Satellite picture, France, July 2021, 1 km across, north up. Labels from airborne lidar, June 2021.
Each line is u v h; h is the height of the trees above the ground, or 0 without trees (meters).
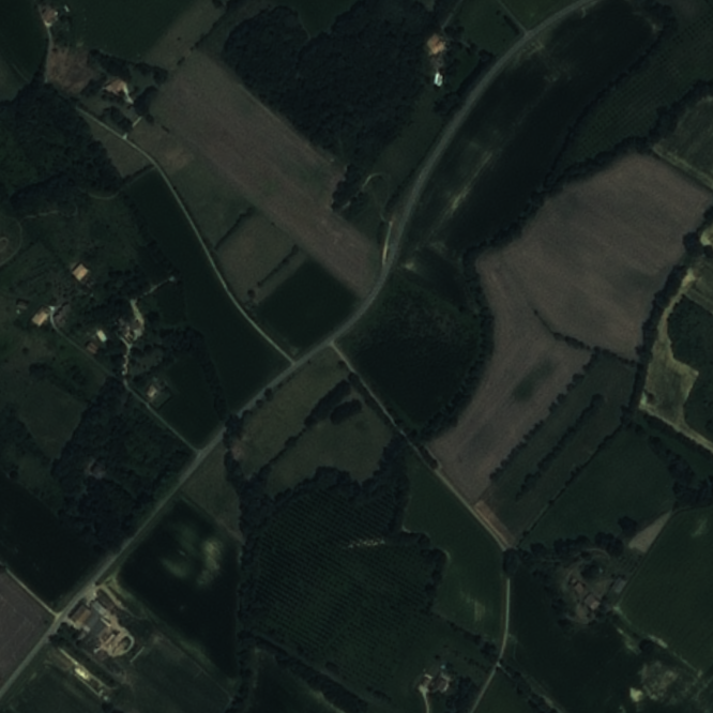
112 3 0
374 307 0
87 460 20
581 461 0
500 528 0
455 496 0
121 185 13
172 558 0
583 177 13
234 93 0
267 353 0
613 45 0
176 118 0
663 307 17
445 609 0
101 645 0
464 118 0
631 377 0
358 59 21
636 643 0
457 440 0
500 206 0
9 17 0
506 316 0
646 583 0
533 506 0
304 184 0
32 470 0
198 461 0
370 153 14
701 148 0
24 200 20
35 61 0
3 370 0
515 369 0
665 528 0
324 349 0
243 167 0
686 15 0
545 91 0
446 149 0
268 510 22
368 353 6
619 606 0
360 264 0
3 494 0
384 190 0
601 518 0
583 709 0
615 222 0
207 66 0
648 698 0
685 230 0
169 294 6
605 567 0
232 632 0
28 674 0
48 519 0
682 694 0
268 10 6
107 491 28
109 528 32
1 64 0
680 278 18
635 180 0
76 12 0
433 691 6
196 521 0
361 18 23
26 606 0
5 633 0
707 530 0
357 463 0
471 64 0
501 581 0
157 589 0
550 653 0
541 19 0
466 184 0
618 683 0
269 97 15
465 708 16
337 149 11
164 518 0
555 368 0
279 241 0
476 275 7
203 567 0
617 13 0
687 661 0
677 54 0
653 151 11
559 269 0
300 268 0
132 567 0
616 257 0
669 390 0
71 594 0
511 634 0
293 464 0
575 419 0
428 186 0
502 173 0
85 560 0
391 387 6
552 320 0
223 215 0
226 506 0
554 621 0
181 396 0
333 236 0
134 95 6
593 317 0
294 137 0
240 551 0
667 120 24
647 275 0
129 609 0
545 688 0
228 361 0
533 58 0
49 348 0
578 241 0
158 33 0
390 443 0
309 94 17
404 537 17
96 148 28
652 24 0
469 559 0
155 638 0
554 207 0
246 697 12
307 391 0
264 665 0
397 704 0
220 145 0
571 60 0
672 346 6
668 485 0
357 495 25
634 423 14
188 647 0
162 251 12
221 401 11
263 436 0
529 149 0
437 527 0
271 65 17
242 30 17
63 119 21
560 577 0
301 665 13
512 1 0
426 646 0
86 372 0
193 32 0
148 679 0
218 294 0
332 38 21
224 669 0
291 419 0
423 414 7
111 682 6
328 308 0
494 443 0
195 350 19
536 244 0
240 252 0
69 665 0
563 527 0
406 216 0
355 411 18
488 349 16
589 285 0
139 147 0
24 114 18
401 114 8
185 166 0
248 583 8
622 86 16
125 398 11
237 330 0
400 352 6
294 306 0
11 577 0
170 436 7
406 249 0
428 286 0
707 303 0
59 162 7
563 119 0
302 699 0
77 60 0
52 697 0
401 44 9
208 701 0
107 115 6
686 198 0
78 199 14
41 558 0
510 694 0
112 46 0
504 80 0
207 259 0
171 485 24
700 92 17
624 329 0
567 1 0
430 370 6
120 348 13
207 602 0
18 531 0
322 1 0
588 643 0
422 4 12
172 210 0
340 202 14
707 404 6
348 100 20
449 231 0
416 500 0
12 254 0
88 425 16
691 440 10
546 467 16
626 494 0
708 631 0
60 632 7
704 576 0
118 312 7
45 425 0
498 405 0
